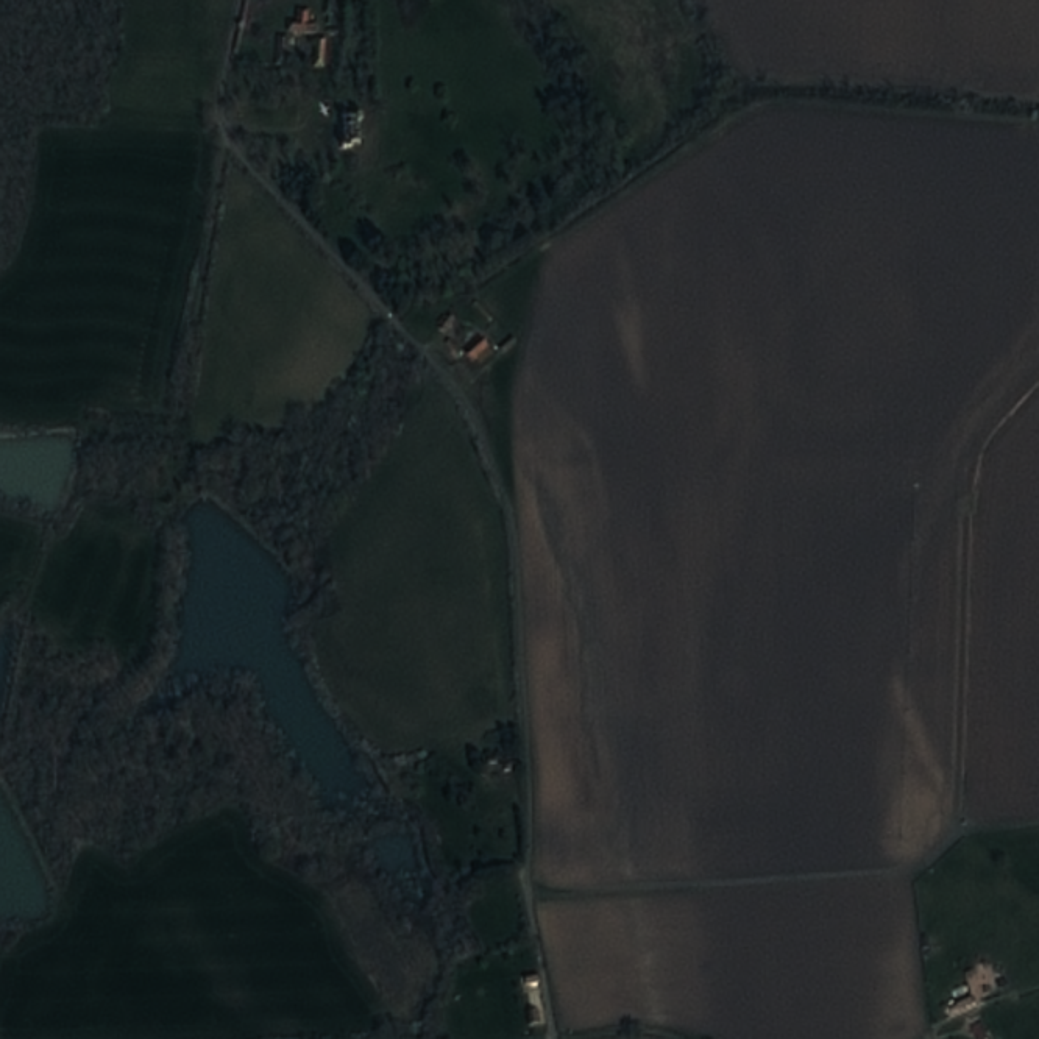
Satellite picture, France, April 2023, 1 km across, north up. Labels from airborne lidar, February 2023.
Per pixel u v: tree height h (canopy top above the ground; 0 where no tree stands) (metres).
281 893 0
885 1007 0
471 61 0
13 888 0
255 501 30
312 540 17
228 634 0
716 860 0
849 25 0
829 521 0
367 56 14
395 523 0
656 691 0
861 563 0
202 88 0
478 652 0
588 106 26
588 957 0
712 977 0
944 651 0
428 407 0
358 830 16
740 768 0
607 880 0
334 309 0
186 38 0
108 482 23
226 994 0
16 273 0
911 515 0
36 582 0
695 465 0
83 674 14
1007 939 0
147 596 0
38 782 10
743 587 0
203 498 17
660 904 0
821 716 0
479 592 0
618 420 0
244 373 0
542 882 0
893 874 0
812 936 0
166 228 0
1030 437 0
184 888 0
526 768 11
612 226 0
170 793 20
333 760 0
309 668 10
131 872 0
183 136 0
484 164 0
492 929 0
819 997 0
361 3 6
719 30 0
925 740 0
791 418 0
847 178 0
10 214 13
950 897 0
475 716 0
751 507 0
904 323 0
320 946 0
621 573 0
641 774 0
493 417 0
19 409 0
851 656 0
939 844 0
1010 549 0
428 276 23
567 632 0
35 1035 0
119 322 0
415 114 0
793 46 0
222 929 0
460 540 0
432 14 0
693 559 0
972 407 0
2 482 0
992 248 0
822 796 0
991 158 0
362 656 0
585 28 0
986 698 0
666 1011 0
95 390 0
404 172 9
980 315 0
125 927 0
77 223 0
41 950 0
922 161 0
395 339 7
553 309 0
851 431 0
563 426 0
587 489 0
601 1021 0
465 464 0
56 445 0
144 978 0
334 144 0
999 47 0
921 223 0
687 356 0
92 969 0
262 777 15
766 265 0
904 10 0
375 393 12
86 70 17
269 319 0
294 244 0
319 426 15
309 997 0
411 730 0
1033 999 0
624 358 0
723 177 0
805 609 0
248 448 25
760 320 0
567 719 0
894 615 0
